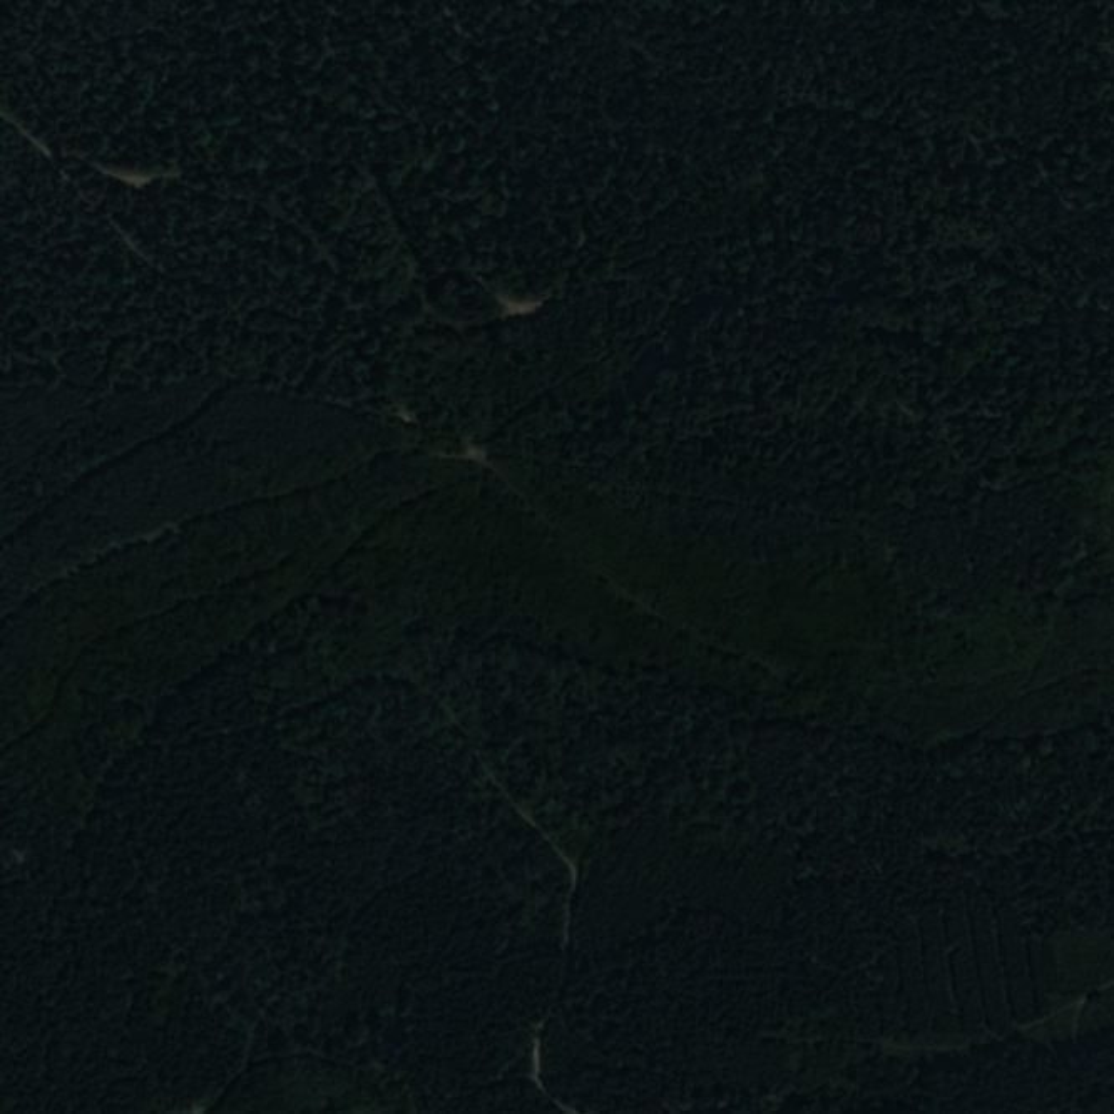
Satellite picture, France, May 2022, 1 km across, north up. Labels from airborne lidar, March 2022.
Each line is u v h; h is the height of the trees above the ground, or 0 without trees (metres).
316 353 28
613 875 12
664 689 23
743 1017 24
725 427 16
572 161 20
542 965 25
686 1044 26
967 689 6
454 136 39
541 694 29
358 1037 22
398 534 13
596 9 30
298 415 21
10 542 29
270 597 13
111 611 16
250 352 15
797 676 16
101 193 14
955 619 13
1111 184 36
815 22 38
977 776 25
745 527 8
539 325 11
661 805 22
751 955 24
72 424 22
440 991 29
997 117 30
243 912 7
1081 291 30
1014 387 27
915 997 12
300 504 14
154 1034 25
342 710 22
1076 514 18
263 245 20
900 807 24
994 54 41
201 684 34
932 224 36
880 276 36
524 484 10
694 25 34
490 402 11
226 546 18
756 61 37
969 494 25
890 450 28
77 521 23
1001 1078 30
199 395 13
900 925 24
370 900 27
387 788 33
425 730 28
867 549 7
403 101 35
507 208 10
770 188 14
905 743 14
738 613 12
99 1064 26
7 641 22
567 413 10
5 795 19
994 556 14
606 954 9
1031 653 15
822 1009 24
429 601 17
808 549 10
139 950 24
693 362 43
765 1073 10
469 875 22
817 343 40
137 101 10
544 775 20
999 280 37
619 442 31
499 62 42
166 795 31
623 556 13
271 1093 17
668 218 16
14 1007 27
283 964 27
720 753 25
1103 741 23
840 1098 10
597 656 8
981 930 10
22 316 20
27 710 16
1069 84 39
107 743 24
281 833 32
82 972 22
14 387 18
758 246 20
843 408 34
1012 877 23
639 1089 25
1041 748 22
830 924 24
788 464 16
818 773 29
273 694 31
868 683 8
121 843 31
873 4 9
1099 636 6
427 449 10
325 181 37
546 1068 9
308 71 6
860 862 23
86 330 6
